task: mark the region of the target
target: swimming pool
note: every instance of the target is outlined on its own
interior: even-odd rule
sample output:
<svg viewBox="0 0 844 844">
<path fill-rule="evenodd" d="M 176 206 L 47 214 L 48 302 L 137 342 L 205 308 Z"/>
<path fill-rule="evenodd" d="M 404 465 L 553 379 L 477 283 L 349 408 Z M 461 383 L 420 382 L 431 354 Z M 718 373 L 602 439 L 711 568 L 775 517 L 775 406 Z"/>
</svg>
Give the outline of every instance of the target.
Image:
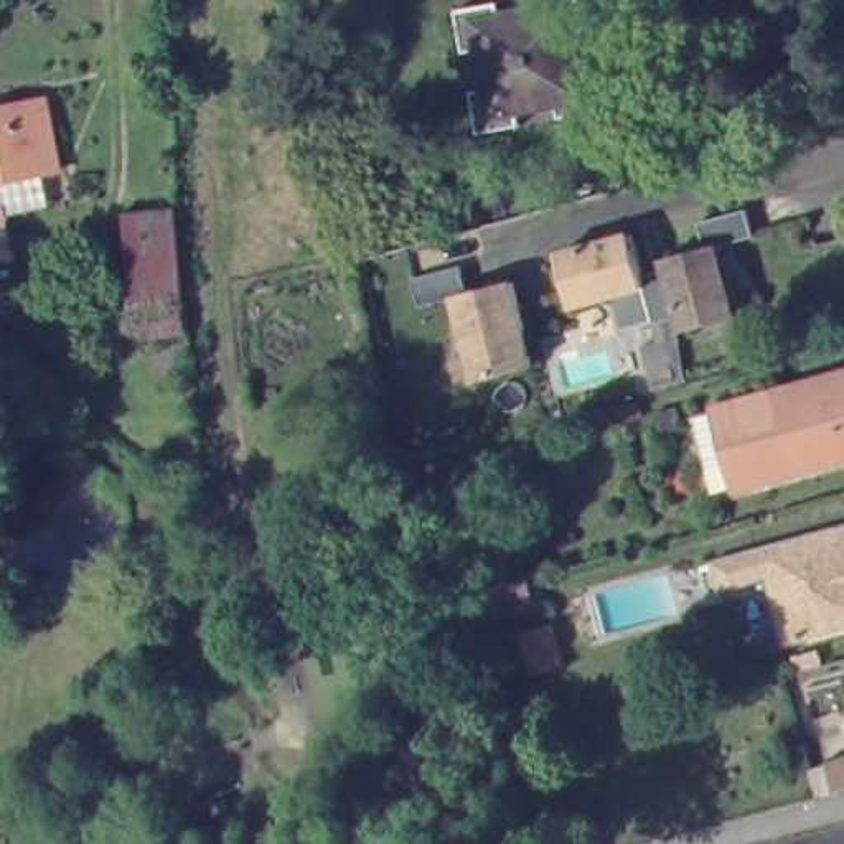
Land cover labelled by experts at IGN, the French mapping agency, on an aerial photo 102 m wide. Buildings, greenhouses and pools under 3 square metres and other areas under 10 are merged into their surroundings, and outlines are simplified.
<svg viewBox="0 0 844 844">
<path fill-rule="evenodd" d="M 584 392 L 617 379 L 603 356 L 570 356 L 560 346 L 554 353 L 564 359 L 564 382 L 570 389 L 580 386 Z"/>
<path fill-rule="evenodd" d="M 666 580 L 656 570 L 649 574 L 646 580 L 607 590 L 597 600 L 603 630 L 620 633 L 630 626 L 646 626 L 649 633 L 653 633 L 659 626 L 676 623 L 682 613 L 679 607 L 673 607 Z"/>
</svg>

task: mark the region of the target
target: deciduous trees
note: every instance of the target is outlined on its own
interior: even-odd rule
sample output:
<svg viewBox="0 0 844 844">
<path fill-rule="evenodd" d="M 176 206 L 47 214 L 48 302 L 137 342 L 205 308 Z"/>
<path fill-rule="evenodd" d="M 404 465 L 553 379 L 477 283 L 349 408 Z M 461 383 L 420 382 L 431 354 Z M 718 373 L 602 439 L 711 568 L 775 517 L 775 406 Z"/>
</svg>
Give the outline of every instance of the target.
<svg viewBox="0 0 844 844">
<path fill-rule="evenodd" d="M 53 630 L 66 603 L 49 587 L 40 587 L 16 567 L 13 547 L 0 528 L 0 653 L 7 646 L 20 646 L 33 633 Z"/>
<path fill-rule="evenodd" d="M 458 231 L 511 218 L 514 211 L 528 218 L 534 211 L 574 201 L 580 188 L 593 188 L 610 198 L 617 191 L 636 195 L 646 201 L 666 201 L 676 195 L 696 198 L 719 208 L 742 204 L 752 201 L 755 191 L 771 188 L 765 181 L 765 165 L 781 148 L 781 135 L 844 135 L 844 0 L 514 0 L 514 3 L 521 30 L 537 36 L 541 49 L 557 56 L 564 66 L 564 109 L 547 125 L 537 125 L 524 112 L 518 115 L 514 132 L 495 135 L 481 122 L 465 115 L 455 122 L 445 145 L 435 145 L 435 138 L 412 138 L 399 132 L 389 112 L 412 92 L 402 82 L 402 69 L 409 59 L 392 49 L 389 36 L 369 36 L 363 16 L 349 13 L 343 3 L 333 7 L 333 0 L 270 0 L 270 10 L 260 13 L 267 53 L 260 56 L 260 63 L 247 66 L 247 92 L 241 109 L 264 132 L 290 132 L 293 145 L 287 152 L 287 175 L 297 181 L 297 195 L 317 221 L 317 231 L 310 231 L 303 241 L 313 247 L 313 257 L 320 257 L 326 270 L 333 270 L 333 277 L 359 274 L 359 264 L 373 251 L 376 234 L 382 251 L 409 247 L 422 251 L 452 251 L 455 244 Z"/>
<path fill-rule="evenodd" d="M 145 30 L 165 46 L 158 53 L 135 53 L 132 69 L 152 92 L 148 102 L 171 119 L 175 142 L 188 132 L 195 135 L 198 106 L 204 102 L 204 92 L 198 92 L 195 82 L 171 66 L 171 46 L 181 36 L 181 20 L 171 13 L 175 0 L 152 0 L 152 10 L 145 13 Z"/>
<path fill-rule="evenodd" d="M 778 732 L 778 748 L 785 755 L 788 781 L 798 781 L 808 771 L 821 765 L 821 748 L 818 729 L 795 715 L 795 725 Z"/>
<path fill-rule="evenodd" d="M 564 593 L 567 603 L 580 597 L 570 587 L 570 567 L 544 560 L 534 570 L 537 587 Z"/>
<path fill-rule="evenodd" d="M 719 686 L 712 676 L 696 673 L 689 659 L 666 656 L 659 636 L 653 633 L 649 633 L 633 636 L 626 643 L 630 669 L 623 669 L 613 682 L 620 689 L 623 742 L 630 748 L 646 752 L 676 742 L 699 742 L 706 735 L 719 739 L 712 719 L 719 709 L 729 712 L 735 706 L 752 706 L 771 689 L 771 682 L 758 669 L 739 669 L 732 676 L 735 689 L 729 692 L 729 699 L 719 699 Z"/>
<path fill-rule="evenodd" d="M 521 551 L 547 531 L 551 508 L 544 498 L 551 485 L 557 485 L 557 462 L 580 455 L 584 448 L 607 448 L 613 468 L 593 501 L 610 514 L 646 518 L 649 524 L 659 521 L 666 531 L 659 537 L 630 534 L 623 541 L 597 544 L 570 537 L 567 547 L 580 551 L 580 560 L 587 560 L 590 554 L 607 554 L 617 560 L 636 560 L 640 551 L 666 551 L 673 541 L 709 537 L 715 531 L 725 531 L 735 518 L 732 498 L 706 491 L 702 465 L 692 448 L 692 432 L 656 435 L 653 429 L 640 425 L 640 415 L 610 429 L 567 429 L 560 422 L 551 422 L 547 429 L 541 429 L 537 445 L 514 435 L 511 445 L 501 445 L 495 455 L 481 455 L 475 471 L 458 485 L 452 471 L 438 468 L 412 435 L 402 438 L 399 432 L 389 432 L 382 425 L 382 415 L 376 409 L 386 389 L 376 379 L 376 363 L 369 359 L 366 346 L 330 359 L 323 373 L 307 376 L 297 389 L 284 396 L 284 458 L 277 465 L 270 465 L 260 455 L 234 462 L 237 438 L 227 435 L 218 422 L 224 409 L 224 389 L 214 382 L 218 326 L 201 317 L 201 297 L 195 284 L 198 221 L 175 201 L 171 211 L 181 333 L 162 340 L 129 340 L 119 330 L 122 307 L 132 287 L 132 251 L 122 244 L 119 234 L 122 204 L 56 227 L 46 227 L 33 211 L 7 218 L 10 260 L 0 260 L 0 498 L 10 488 L 13 445 L 20 438 L 46 435 L 53 448 L 53 468 L 73 465 L 89 481 L 89 495 L 115 514 L 115 524 L 112 541 L 73 574 L 69 597 L 82 603 L 82 610 L 106 617 L 115 626 L 119 640 L 115 649 L 102 653 L 82 676 L 76 676 L 59 692 L 59 706 L 73 719 L 46 725 L 36 735 L 30 735 L 26 748 L 0 755 L 0 844 L 715 844 L 712 831 L 663 828 L 653 834 L 640 831 L 636 821 L 626 821 L 620 834 L 610 824 L 584 828 L 584 814 L 597 788 L 603 785 L 597 778 L 593 742 L 577 739 L 574 725 L 560 719 L 541 696 L 531 699 L 524 679 L 511 646 L 478 640 L 475 613 L 485 610 L 485 603 L 498 590 L 511 590 L 514 584 L 521 584 L 524 564 L 514 551 Z M 102 415 L 92 415 L 82 399 L 76 402 L 59 386 L 63 373 L 73 363 L 82 363 L 89 373 L 115 379 L 122 386 L 122 366 L 129 356 L 135 356 L 152 376 L 178 369 L 181 392 L 198 415 L 191 429 L 185 429 L 175 438 L 165 438 L 158 448 L 138 445 L 122 432 L 119 419 L 109 409 Z M 297 640 L 313 649 L 313 659 L 323 676 L 333 673 L 336 663 L 340 669 L 349 669 L 359 689 L 349 702 L 340 702 L 330 712 L 326 735 L 310 739 L 303 745 L 303 768 L 297 771 L 297 778 L 274 781 L 264 791 L 267 821 L 260 831 L 234 821 L 227 821 L 221 831 L 195 831 L 185 828 L 178 818 L 165 814 L 162 798 L 175 785 L 171 762 L 191 745 L 195 735 L 204 735 L 211 729 L 211 715 L 204 709 L 191 709 L 181 689 L 175 686 L 171 669 L 158 663 L 158 649 L 168 643 L 175 617 L 185 603 L 204 607 L 198 623 L 204 659 L 224 682 L 244 686 L 244 692 L 270 689 L 274 676 L 284 676 L 293 666 L 290 646 Z"/>
<path fill-rule="evenodd" d="M 791 659 L 778 663 L 775 673 L 775 686 L 785 689 L 791 702 L 801 699 L 798 669 Z"/>
<path fill-rule="evenodd" d="M 722 359 L 729 366 L 739 366 L 748 379 L 775 373 L 778 386 L 844 369 L 844 330 L 831 317 L 811 317 L 808 310 L 788 313 L 781 323 L 771 323 L 758 297 L 752 297 L 742 310 L 732 313 L 725 323 Z"/>
</svg>

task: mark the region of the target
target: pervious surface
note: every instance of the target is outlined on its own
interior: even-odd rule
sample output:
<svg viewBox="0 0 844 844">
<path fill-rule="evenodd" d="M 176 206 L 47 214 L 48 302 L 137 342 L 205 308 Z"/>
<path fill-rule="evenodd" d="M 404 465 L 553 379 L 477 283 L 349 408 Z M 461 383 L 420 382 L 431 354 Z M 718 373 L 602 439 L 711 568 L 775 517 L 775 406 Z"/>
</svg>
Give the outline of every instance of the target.
<svg viewBox="0 0 844 844">
<path fill-rule="evenodd" d="M 679 607 L 682 613 L 715 590 L 696 567 L 656 570 L 666 580 L 673 607 Z"/>
<path fill-rule="evenodd" d="M 462 270 L 462 264 L 478 260 L 475 241 L 455 244 L 452 251 L 422 251 L 419 277 L 435 270 Z"/>
<path fill-rule="evenodd" d="M 643 343 L 653 336 L 653 326 L 617 326 L 613 300 L 580 303 L 567 313 L 570 320 L 577 320 L 577 326 L 564 333 L 560 346 L 570 356 L 603 356 L 617 379 L 636 376 L 646 369 Z"/>
<path fill-rule="evenodd" d="M 745 600 L 745 643 L 758 640 L 768 646 L 781 633 L 781 610 L 762 590 L 732 590 Z"/>
<path fill-rule="evenodd" d="M 584 392 L 580 386 L 570 389 L 564 382 L 564 359 L 554 353 L 547 359 L 551 389 L 557 396 Z"/>
<path fill-rule="evenodd" d="M 818 729 L 821 748 L 844 748 L 844 712 L 821 715 Z"/>
</svg>

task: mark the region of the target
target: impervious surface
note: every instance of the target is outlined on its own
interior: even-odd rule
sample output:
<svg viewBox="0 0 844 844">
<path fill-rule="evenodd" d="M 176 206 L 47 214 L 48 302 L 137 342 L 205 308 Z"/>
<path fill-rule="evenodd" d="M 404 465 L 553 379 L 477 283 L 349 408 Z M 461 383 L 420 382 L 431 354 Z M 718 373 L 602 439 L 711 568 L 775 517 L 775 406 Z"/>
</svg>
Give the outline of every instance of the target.
<svg viewBox="0 0 844 844">
<path fill-rule="evenodd" d="M 649 633 L 646 626 L 630 626 L 620 633 L 603 630 L 597 600 L 607 590 L 646 580 L 649 574 L 593 584 L 580 597 L 567 603 L 567 613 L 574 620 L 577 636 L 580 643 L 593 646 L 633 636 Z"/>
<path fill-rule="evenodd" d="M 712 831 L 715 844 L 844 844 L 844 791 L 811 791 L 811 798 L 801 804 L 722 821 Z"/>
<path fill-rule="evenodd" d="M 636 195 L 617 191 L 610 198 L 593 188 L 580 188 L 574 201 L 534 211 L 528 218 L 514 211 L 511 218 L 458 231 L 455 244 L 475 241 L 478 260 L 462 264 L 462 270 L 462 284 L 468 290 L 511 284 L 518 315 L 547 305 L 541 300 L 542 292 L 531 257 L 541 257 L 547 264 L 554 251 L 584 251 L 590 241 L 623 234 L 673 221 L 696 198 L 676 195 L 666 201 L 646 201 Z"/>
<path fill-rule="evenodd" d="M 76 178 L 73 165 L 59 162 L 56 175 L 43 181 L 46 201 L 63 204 L 66 185 L 73 185 Z"/>
<path fill-rule="evenodd" d="M 775 227 L 795 224 L 801 231 L 801 241 L 821 244 L 834 237 L 844 251 L 844 135 L 781 135 L 781 148 L 765 165 L 765 181 L 771 188 L 755 191 L 752 201 L 765 204 L 768 221 Z"/>
</svg>

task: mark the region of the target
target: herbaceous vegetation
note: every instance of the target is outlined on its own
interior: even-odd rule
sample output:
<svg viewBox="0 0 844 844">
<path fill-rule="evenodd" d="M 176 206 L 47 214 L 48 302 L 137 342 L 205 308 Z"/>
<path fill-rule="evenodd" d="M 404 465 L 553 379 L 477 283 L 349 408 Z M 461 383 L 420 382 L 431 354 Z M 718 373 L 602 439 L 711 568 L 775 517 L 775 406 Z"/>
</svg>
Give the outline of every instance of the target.
<svg viewBox="0 0 844 844">
<path fill-rule="evenodd" d="M 778 748 L 778 732 L 795 725 L 795 715 L 791 702 L 785 689 L 775 686 L 775 673 L 778 663 L 791 659 L 781 633 L 768 646 L 758 640 L 745 643 L 745 600 L 732 590 L 715 590 L 682 613 L 676 623 L 659 626 L 653 633 L 659 636 L 666 656 L 689 659 L 696 673 L 712 676 L 719 686 L 719 699 L 729 699 L 729 692 L 735 689 L 732 676 L 739 669 L 758 669 L 771 682 L 771 689 L 752 706 L 735 706 L 729 712 L 719 709 L 712 719 L 719 739 L 706 735 L 699 742 L 676 742 L 646 752 L 630 748 L 623 742 L 620 689 L 613 682 L 623 669 L 630 669 L 626 643 L 633 636 L 593 646 L 580 643 L 577 636 L 577 656 L 564 673 L 534 673 L 531 679 L 524 679 L 531 699 L 541 696 L 560 719 L 574 725 L 577 739 L 593 742 L 597 778 L 603 785 L 597 788 L 584 814 L 584 828 L 610 824 L 620 834 L 626 821 L 636 821 L 640 831 L 653 834 L 663 828 L 712 831 L 722 821 L 801 804 L 811 798 L 811 791 L 808 771 L 798 781 L 788 781 L 785 755 Z"/>
<path fill-rule="evenodd" d="M 82 603 L 69 597 L 73 574 L 112 541 L 115 524 L 115 514 L 89 495 L 89 481 L 73 465 L 53 468 L 53 448 L 46 435 L 20 438 L 13 445 L 10 488 L 0 498 L 0 528 L 13 547 L 16 567 L 40 587 L 49 587 L 66 603 L 53 630 L 33 633 L 20 646 L 7 646 L 0 653 L 0 755 L 26 748 L 30 735 L 36 735 L 46 725 L 73 719 L 59 706 L 59 692 L 76 676 L 82 676 L 102 653 L 115 649 L 119 640 L 115 626 L 106 617 L 82 610 Z"/>
<path fill-rule="evenodd" d="M 775 227 L 768 221 L 765 204 L 752 201 L 742 204 L 755 231 L 752 244 L 739 244 L 729 234 L 696 237 L 709 214 L 715 214 L 719 208 L 696 198 L 673 221 L 623 234 L 640 287 L 656 280 L 659 257 L 712 247 L 732 313 L 742 310 L 752 297 L 758 297 L 771 323 L 781 323 L 788 313 L 808 310 L 811 317 L 831 317 L 844 330 L 844 251 L 834 237 L 821 244 L 801 241 L 801 231 L 795 224 Z"/>
<path fill-rule="evenodd" d="M 511 646 L 521 633 L 537 630 L 544 620 L 560 620 L 567 613 L 567 603 L 564 593 L 537 587 L 534 570 L 544 560 L 570 567 L 570 587 L 580 597 L 593 584 L 649 574 L 656 570 L 696 567 L 719 557 L 735 557 L 768 544 L 818 534 L 828 528 L 844 528 L 844 471 L 828 471 L 795 485 L 768 488 L 762 495 L 732 498 L 735 518 L 725 531 L 715 531 L 709 537 L 673 541 L 666 551 L 640 551 L 636 560 L 617 560 L 607 554 L 590 554 L 587 560 L 580 560 L 580 551 L 567 547 L 570 537 L 597 544 L 623 541 L 630 534 L 659 537 L 666 531 L 659 521 L 649 524 L 646 518 L 610 514 L 593 501 L 613 468 L 607 448 L 584 448 L 580 455 L 557 462 L 557 485 L 551 485 L 544 498 L 551 508 L 547 531 L 521 551 L 514 551 L 524 564 L 521 584 L 514 584 L 511 590 L 498 590 L 485 603 L 485 610 L 475 613 L 478 640 Z"/>
<path fill-rule="evenodd" d="M 129 356 L 122 366 L 122 386 L 115 379 L 89 373 L 82 363 L 73 363 L 63 373 L 59 386 L 76 402 L 82 399 L 92 415 L 102 415 L 109 409 L 119 419 L 122 432 L 138 445 L 158 448 L 165 438 L 175 438 L 185 429 L 191 429 L 198 415 L 181 392 L 178 369 L 152 376 L 135 356 Z"/>
<path fill-rule="evenodd" d="M 333 0 L 333 7 L 343 3 L 349 13 L 363 16 L 369 36 L 389 36 L 392 49 L 409 59 L 402 69 L 402 82 L 412 92 L 389 112 L 399 132 L 412 138 L 435 138 L 435 145 L 445 145 L 455 122 L 465 115 L 465 92 L 452 82 L 452 56 L 458 49 L 458 40 L 452 7 L 514 3 L 514 0 Z"/>
<path fill-rule="evenodd" d="M 313 659 L 313 649 L 297 640 L 290 646 L 293 666 L 284 676 L 274 676 L 270 689 L 244 692 L 244 686 L 224 682 L 204 659 L 198 623 L 204 607 L 185 603 L 175 617 L 168 643 L 158 649 L 158 663 L 171 669 L 175 686 L 181 689 L 191 709 L 204 709 L 211 715 L 211 729 L 204 735 L 195 735 L 191 745 L 171 762 L 175 785 L 162 798 L 165 814 L 178 818 L 185 828 L 195 831 L 221 831 L 227 821 L 234 821 L 260 831 L 267 821 L 264 791 L 274 781 L 297 778 L 297 771 L 303 768 L 303 745 L 310 739 L 326 735 L 330 712 L 340 702 L 349 702 L 359 689 L 349 669 L 340 669 L 336 663 L 333 673 L 323 676 Z"/>
<path fill-rule="evenodd" d="M 706 402 L 725 402 L 778 386 L 775 373 L 748 379 L 739 366 L 729 366 L 722 359 L 725 323 L 696 326 L 679 336 L 679 363 L 686 376 L 679 386 L 659 389 L 659 396 L 666 402 L 682 402 L 692 396 L 702 396 Z"/>
<path fill-rule="evenodd" d="M 66 185 L 63 204 L 46 201 L 33 211 L 46 227 L 56 227 L 122 204 L 132 204 L 135 214 L 171 211 L 175 201 L 198 221 L 195 284 L 201 297 L 201 317 L 218 326 L 214 382 L 224 389 L 224 409 L 218 422 L 227 435 L 237 438 L 234 462 L 260 455 L 270 465 L 277 465 L 284 458 L 284 396 L 297 389 L 307 376 L 323 373 L 330 359 L 366 346 L 369 359 L 376 363 L 376 379 L 386 389 L 376 409 L 382 415 L 382 425 L 389 432 L 399 432 L 402 438 L 412 435 L 438 468 L 452 471 L 458 485 L 475 471 L 481 455 L 495 455 L 501 445 L 511 445 L 514 435 L 537 445 L 541 429 L 547 429 L 551 422 L 560 422 L 567 429 L 610 429 L 640 415 L 653 402 L 653 392 L 636 376 L 617 379 L 584 392 L 557 396 L 551 389 L 547 359 L 554 353 L 560 346 L 564 333 L 577 326 L 577 320 L 570 320 L 567 313 L 557 303 L 547 264 L 541 257 L 531 257 L 542 292 L 541 300 L 547 305 L 518 315 L 528 353 L 524 369 L 478 386 L 452 382 L 445 369 L 448 313 L 442 303 L 422 307 L 415 300 L 412 277 L 406 267 L 409 247 L 382 251 L 376 234 L 373 251 L 359 264 L 359 274 L 359 300 L 366 310 L 359 320 L 336 317 L 336 303 L 323 300 L 323 287 L 333 277 L 333 270 L 326 270 L 320 257 L 313 257 L 313 247 L 303 241 L 310 231 L 317 231 L 317 221 L 297 195 L 297 181 L 287 175 L 287 152 L 293 145 L 290 132 L 264 132 L 241 109 L 247 92 L 247 66 L 260 63 L 260 56 L 267 53 L 260 13 L 270 10 L 270 0 L 175 0 L 171 13 L 181 20 L 181 36 L 171 46 L 171 66 L 195 82 L 198 92 L 204 92 L 204 102 L 198 106 L 195 135 L 188 132 L 175 142 L 171 119 L 148 102 L 152 92 L 132 69 L 135 53 L 158 53 L 165 46 L 145 30 L 145 13 L 152 10 L 152 0 L 0 0 L 0 106 L 20 99 L 46 99 L 59 162 L 73 165 L 76 178 L 73 185 Z"/>
</svg>

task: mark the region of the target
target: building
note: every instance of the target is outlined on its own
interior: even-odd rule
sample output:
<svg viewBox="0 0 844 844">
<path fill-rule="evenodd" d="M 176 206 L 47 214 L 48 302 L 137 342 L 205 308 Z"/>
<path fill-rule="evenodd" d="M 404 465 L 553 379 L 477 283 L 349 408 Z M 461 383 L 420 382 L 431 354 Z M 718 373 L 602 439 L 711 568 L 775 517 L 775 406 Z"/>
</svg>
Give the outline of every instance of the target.
<svg viewBox="0 0 844 844">
<path fill-rule="evenodd" d="M 811 791 L 844 791 L 844 748 L 821 748 L 821 765 L 808 771 Z"/>
<path fill-rule="evenodd" d="M 10 260 L 7 218 L 33 211 L 46 201 L 43 181 L 56 175 L 59 162 L 46 99 L 20 99 L 0 106 L 0 260 Z"/>
<path fill-rule="evenodd" d="M 524 679 L 531 679 L 534 673 L 564 673 L 577 656 L 577 636 L 574 620 L 567 613 L 560 620 L 544 620 L 537 630 L 521 633 L 511 646 Z"/>
<path fill-rule="evenodd" d="M 653 402 L 640 415 L 640 425 L 653 429 L 656 435 L 692 432 L 692 448 L 702 465 L 706 491 L 732 498 L 762 495 L 768 488 L 795 485 L 828 471 L 844 471 L 844 369 L 778 386 L 725 402 L 706 402 L 702 396 L 692 396 L 682 402 L 666 402 L 659 396 L 659 389 L 679 386 L 686 376 L 679 363 L 679 336 L 696 326 L 725 323 L 732 313 L 712 247 L 659 257 L 656 280 L 640 287 L 623 234 L 590 241 L 584 251 L 554 251 L 547 264 L 557 303 L 567 313 L 580 303 L 613 300 L 617 326 L 653 326 L 653 336 L 643 343 L 646 369 L 636 376 L 653 392 Z"/>
<path fill-rule="evenodd" d="M 119 330 L 129 340 L 162 340 L 181 333 L 171 211 L 135 214 L 132 204 L 122 204 L 119 234 L 122 244 L 132 251 L 132 287 L 122 307 Z"/>
<path fill-rule="evenodd" d="M 844 663 L 844 528 L 828 528 L 818 534 L 768 544 L 735 557 L 719 557 L 696 567 L 715 590 L 732 590 L 762 590 L 781 610 L 781 633 L 791 659 L 798 669 L 814 669 L 818 663 Z"/>
<path fill-rule="evenodd" d="M 462 270 L 435 270 L 419 277 L 422 251 L 409 247 L 406 267 L 412 277 L 415 300 L 422 307 L 442 303 L 448 313 L 445 369 L 452 382 L 478 386 L 524 369 L 528 353 L 518 315 L 511 284 L 468 290 L 462 284 Z"/>
<path fill-rule="evenodd" d="M 557 56 L 541 49 L 537 36 L 521 30 L 514 3 L 452 7 L 458 40 L 458 49 L 452 56 L 452 82 L 465 92 L 465 115 L 481 122 L 495 135 L 514 132 L 518 115 L 524 112 L 537 125 L 547 125 L 564 109 L 564 66 Z"/>
<path fill-rule="evenodd" d="M 715 214 L 709 214 L 696 237 L 729 234 L 739 244 L 752 244 L 755 231 L 742 204 L 719 208 Z"/>
</svg>

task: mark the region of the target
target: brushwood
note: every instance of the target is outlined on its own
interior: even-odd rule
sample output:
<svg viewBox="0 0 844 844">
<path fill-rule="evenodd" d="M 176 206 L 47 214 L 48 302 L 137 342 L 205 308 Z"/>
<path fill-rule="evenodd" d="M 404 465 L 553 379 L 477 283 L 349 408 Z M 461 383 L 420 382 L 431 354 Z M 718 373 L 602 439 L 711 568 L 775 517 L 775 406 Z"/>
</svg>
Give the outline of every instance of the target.
<svg viewBox="0 0 844 844">
<path fill-rule="evenodd" d="M 359 300 L 359 274 L 333 277 L 323 287 L 323 300 L 336 303 L 336 317 L 359 320 L 366 310 Z"/>
</svg>

